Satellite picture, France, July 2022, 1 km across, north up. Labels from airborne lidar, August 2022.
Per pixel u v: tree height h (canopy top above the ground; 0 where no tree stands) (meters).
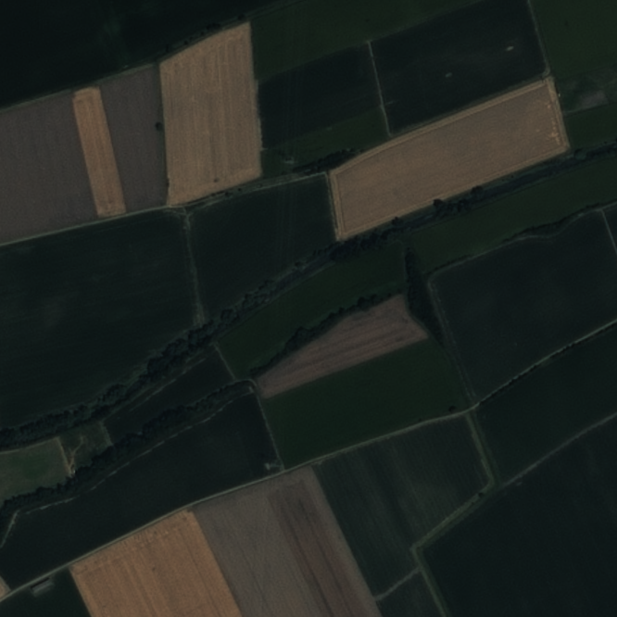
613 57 0
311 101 0
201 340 18
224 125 0
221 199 0
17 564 0
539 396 0
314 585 0
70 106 0
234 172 0
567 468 0
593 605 0
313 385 0
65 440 0
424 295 11
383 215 0
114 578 0
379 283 0
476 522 0
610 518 0
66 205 0
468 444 0
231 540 0
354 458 0
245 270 0
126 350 0
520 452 0
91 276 0
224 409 0
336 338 0
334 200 0
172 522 0
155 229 0
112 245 0
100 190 0
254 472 0
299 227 0
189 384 0
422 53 0
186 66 0
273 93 0
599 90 0
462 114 0
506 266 0
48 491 8
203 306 0
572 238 0
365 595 0
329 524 0
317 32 0
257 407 0
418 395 0
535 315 0
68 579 0
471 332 0
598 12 0
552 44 0
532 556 0
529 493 0
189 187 0
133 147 0
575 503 0
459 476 0
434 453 0
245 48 0
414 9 0
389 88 0
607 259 0
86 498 0
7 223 0
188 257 0
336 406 0
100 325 0
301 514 0
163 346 0
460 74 0
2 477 0
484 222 0
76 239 0
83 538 0
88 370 0
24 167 0
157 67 0
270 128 0
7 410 0
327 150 0
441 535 0
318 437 0
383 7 0
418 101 0
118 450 19
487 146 0
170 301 0
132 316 0
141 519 0
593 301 0
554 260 0
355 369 0
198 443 0
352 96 0
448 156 0
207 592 0
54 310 0
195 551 0
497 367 0
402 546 0
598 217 0
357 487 0
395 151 0
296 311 0
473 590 0
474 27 0
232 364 0
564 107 0
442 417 0
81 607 0
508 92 0
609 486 0
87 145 0
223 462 0
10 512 8
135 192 0
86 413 19
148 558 0
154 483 0
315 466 0
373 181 0
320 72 0
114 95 0
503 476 0
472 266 0
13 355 0
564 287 0
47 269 0
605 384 0
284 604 0
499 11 0
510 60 0
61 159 0
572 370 0
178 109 0
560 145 0
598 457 0
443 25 0
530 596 0
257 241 0
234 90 0
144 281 0
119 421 0
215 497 0
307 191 0
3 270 0
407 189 0
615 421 0
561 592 0
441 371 0
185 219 0
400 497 0
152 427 19
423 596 0
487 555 0
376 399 0
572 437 0
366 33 0
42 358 0
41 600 0
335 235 0
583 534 0
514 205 0
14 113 0
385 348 0
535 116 0
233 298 0
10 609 0
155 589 0
